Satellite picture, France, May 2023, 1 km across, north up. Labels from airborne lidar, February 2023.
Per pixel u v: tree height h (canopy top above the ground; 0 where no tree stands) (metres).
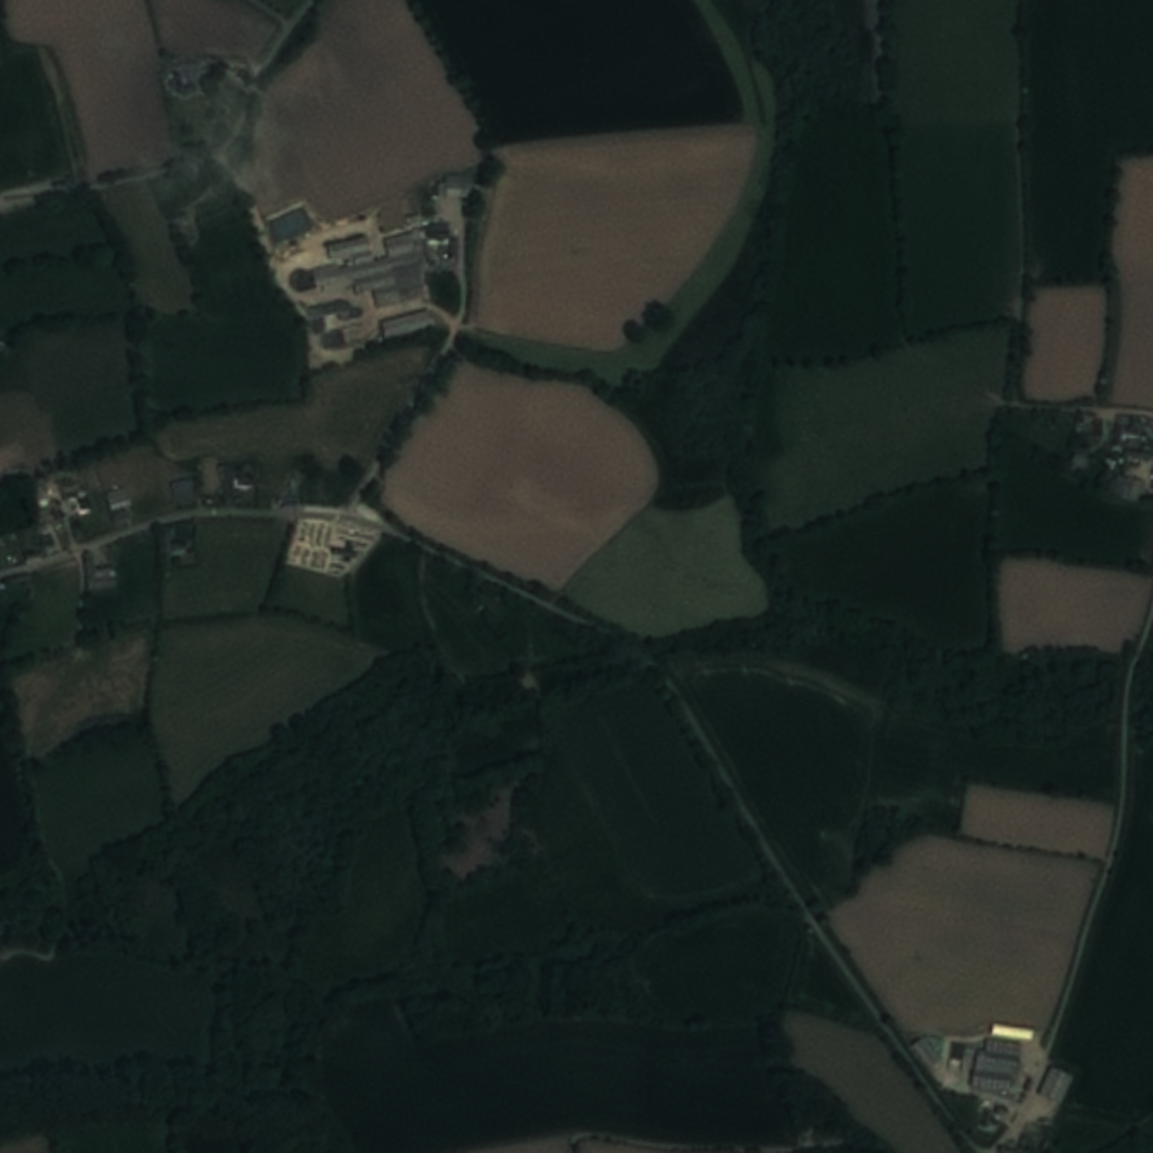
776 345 0
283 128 0
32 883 6
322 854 15
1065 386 0
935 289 0
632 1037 0
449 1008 24
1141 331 0
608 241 0
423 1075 0
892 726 0
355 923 0
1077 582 0
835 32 8
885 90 15
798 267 0
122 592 0
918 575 0
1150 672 8
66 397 0
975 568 0
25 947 14
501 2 0
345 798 16
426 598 0
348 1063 0
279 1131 26
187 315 8
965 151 0
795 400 0
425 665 8
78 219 0
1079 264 0
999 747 12
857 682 0
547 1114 0
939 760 0
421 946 8
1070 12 0
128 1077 15
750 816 0
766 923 0
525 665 8
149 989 0
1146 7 0
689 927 16
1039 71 0
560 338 0
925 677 10
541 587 12
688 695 0
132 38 0
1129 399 0
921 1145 0
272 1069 7
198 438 0
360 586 0
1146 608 0
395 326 0
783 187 8
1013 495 0
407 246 0
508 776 11
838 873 0
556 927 0
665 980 0
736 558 0
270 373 0
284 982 11
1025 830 0
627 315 0
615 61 0
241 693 0
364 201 0
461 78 16
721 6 0
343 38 0
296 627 0
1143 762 0
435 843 15
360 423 0
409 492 0
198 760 0
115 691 0
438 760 15
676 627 0
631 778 0
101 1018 0
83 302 0
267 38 0
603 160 0
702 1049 0
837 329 0
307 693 0
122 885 8
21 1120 20
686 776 0
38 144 0
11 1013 0
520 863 13
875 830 12
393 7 0
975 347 0
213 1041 14
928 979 0
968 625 0
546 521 0
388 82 0
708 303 0
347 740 16
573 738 0
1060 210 0
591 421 0
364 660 0
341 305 0
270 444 0
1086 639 0
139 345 17
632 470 0
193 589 0
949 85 0
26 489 16
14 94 0
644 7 0
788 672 0
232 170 14
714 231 0
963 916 0
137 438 12
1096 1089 0
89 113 0
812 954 0
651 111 0
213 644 0
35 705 0
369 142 0
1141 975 0
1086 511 0
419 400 12
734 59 0
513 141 0
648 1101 0
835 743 0
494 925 0
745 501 6
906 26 0
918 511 0
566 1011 22
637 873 0
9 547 0
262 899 8
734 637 6
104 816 0
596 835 0
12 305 0
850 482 0
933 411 0
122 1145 0
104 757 0
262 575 0
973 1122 0
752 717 0
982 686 11
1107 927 0
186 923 14
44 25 0
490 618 8
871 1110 0
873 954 0
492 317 0
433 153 0
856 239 0
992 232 0
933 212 0
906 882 0
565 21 0
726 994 0
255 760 9
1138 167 0
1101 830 0
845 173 0
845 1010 0
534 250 0
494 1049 0
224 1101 25
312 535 0
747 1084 0
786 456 0
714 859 0
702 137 0
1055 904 0
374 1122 0
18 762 10
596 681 10
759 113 0
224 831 11
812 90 11
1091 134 0
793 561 0
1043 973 0
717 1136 0
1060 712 6
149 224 0
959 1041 0
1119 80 0
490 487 0
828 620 13
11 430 0
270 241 0
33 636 0
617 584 0
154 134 0
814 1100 22
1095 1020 0
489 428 0
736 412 10
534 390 0
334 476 0
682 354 0
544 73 0
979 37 0
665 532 0
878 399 0
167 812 12
